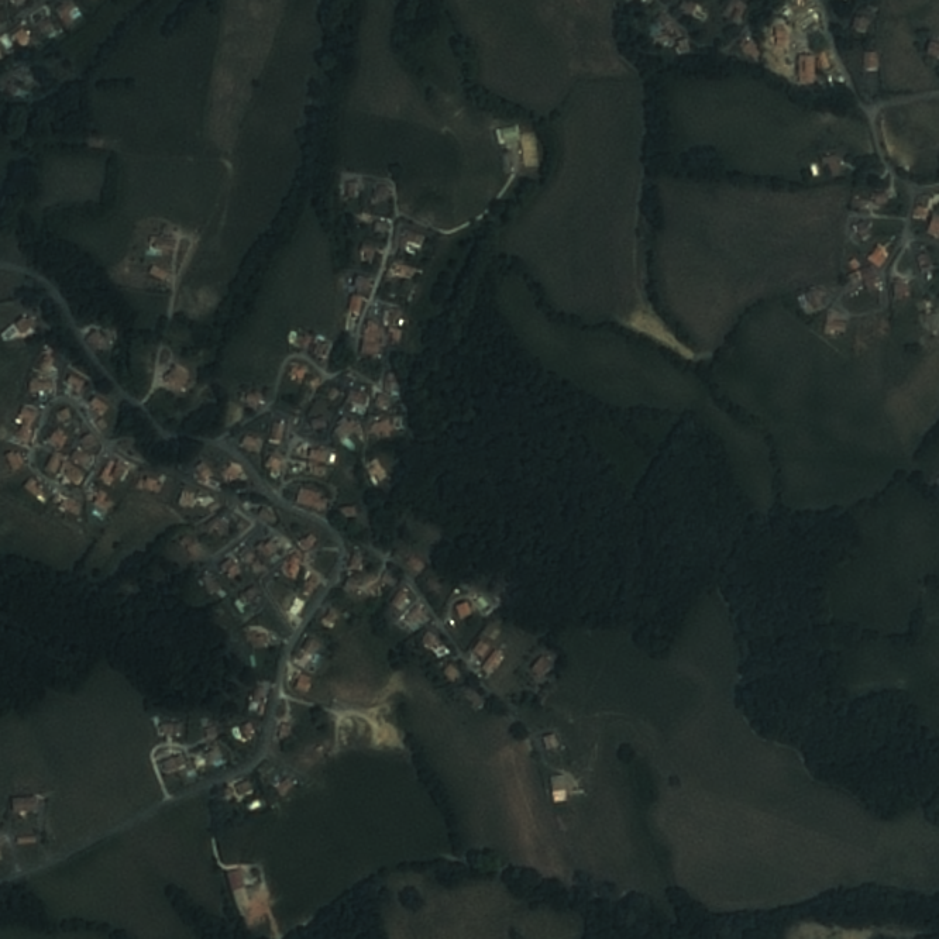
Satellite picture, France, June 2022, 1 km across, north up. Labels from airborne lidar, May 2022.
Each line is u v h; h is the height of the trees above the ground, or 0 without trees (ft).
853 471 0
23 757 0
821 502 0
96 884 0
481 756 0
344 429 0
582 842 0
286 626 0
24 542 0
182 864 0
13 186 58
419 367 69
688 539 63
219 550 0
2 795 0
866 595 0
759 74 49
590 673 0
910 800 62
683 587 80
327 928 70
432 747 0
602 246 0
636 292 0
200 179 0
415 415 61
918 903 56
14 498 0
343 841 0
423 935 0
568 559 97
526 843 0
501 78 0
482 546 79
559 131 0
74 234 0
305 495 0
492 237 85
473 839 0
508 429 82
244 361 0
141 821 0
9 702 59
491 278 54
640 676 0
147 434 57
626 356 0
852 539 56
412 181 0
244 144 0
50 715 0
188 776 0
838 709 43
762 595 62
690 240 0
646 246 43
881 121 0
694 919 61
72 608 47
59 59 50
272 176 0
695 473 71
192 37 0
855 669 0
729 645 0
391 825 0
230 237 0
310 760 0
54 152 22
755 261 0
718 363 25
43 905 41
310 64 0
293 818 0
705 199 0
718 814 0
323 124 62
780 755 0
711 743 0
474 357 61
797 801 0
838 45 33
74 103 51
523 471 73
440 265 0
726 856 0
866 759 80
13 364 0
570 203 0
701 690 0
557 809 0
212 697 68
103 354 34
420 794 0
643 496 52
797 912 54
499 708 59
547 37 0
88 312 46
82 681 47
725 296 0
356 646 0
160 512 0
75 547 0
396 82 0
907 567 0
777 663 80
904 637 32
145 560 51
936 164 0
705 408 0
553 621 58
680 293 0
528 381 75
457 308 82
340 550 0
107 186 25
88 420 0
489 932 0
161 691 66
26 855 0
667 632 46
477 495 76
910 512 0
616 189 0
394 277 0
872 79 0
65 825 0
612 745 0
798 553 67
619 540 85
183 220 0
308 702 0
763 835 0
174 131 0
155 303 0
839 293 0
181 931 0
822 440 0
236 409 0
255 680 39
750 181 22
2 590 19
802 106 41
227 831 59
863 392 0
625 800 0
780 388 0
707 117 0
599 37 0
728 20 27
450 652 36
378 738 0
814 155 0
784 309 0
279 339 0
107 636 47
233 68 0
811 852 0
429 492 37
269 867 0
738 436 0
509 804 0
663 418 35
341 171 0
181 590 30
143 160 0
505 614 51
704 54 33
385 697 0
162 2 0
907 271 0
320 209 42
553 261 0
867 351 0
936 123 0
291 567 0
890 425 0
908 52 0
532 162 0
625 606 80
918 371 0
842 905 66
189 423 41
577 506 74
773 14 60
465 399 75
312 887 0
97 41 0
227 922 27
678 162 51
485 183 0
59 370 0
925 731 49
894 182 0
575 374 0
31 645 65
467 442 84
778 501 26
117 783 0
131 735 0
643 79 32
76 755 0
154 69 0
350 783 0
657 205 61
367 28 0
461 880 32
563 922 0
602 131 0
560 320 25
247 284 25
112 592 54
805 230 0
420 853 0
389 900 68
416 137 0
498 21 0
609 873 0
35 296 47
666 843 0
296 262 0
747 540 61
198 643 86
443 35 0
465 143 0
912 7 0
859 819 0
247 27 0
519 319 0
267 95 0
